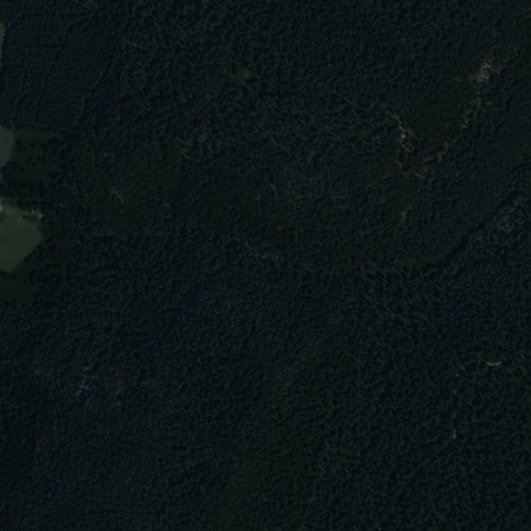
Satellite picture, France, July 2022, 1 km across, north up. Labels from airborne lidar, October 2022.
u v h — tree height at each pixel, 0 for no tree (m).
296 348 15
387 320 6
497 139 19
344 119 28
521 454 11
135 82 25
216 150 24
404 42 19
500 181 18
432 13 24
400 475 9
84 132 27
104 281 26
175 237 25
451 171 21
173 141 25
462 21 19
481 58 20
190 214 27
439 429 28
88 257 15
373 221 18
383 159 23
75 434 30
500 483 16
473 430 8
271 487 26
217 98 12
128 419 17
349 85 13
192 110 26
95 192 22
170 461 19
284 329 24
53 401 17
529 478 27
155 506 16
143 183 13
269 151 18
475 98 25
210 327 18
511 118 18
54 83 21
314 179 25
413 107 26
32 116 21
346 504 21
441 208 19
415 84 18
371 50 9
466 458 34
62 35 17
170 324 18
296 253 22
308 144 20
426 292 11
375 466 14
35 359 31
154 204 24
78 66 25
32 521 19
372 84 29
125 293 25
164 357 19
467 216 26
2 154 0
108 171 25
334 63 17
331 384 25
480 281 30
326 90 9
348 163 27
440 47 22
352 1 18
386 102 32
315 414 13
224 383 16
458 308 24
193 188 24
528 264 33
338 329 20
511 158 18
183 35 24
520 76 16
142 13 26
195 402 19
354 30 19
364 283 33
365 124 12
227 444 17
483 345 10
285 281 25
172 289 23
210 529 20
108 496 17
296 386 19
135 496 21
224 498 10
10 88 23
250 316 16
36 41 24
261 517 22
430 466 13
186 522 18
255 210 25
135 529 23
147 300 28
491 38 28
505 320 11
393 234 22
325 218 21
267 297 17
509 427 15
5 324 31
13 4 24
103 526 25
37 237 0
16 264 0
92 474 32
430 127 19
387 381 14
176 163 24
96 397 33
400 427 23
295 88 24
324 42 18
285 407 25
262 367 22
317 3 15
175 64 23
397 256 25
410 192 26
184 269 28
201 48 27
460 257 31
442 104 19
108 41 22
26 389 19
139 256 23
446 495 20
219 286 25
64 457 32
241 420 17
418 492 15
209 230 25
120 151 14
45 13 24
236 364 19
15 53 26
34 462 34
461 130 27
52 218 12
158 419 18
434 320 8
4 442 16
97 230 24
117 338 22
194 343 21
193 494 23
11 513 28
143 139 18
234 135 19
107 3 23
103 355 29
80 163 23
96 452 32
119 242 30
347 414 13
